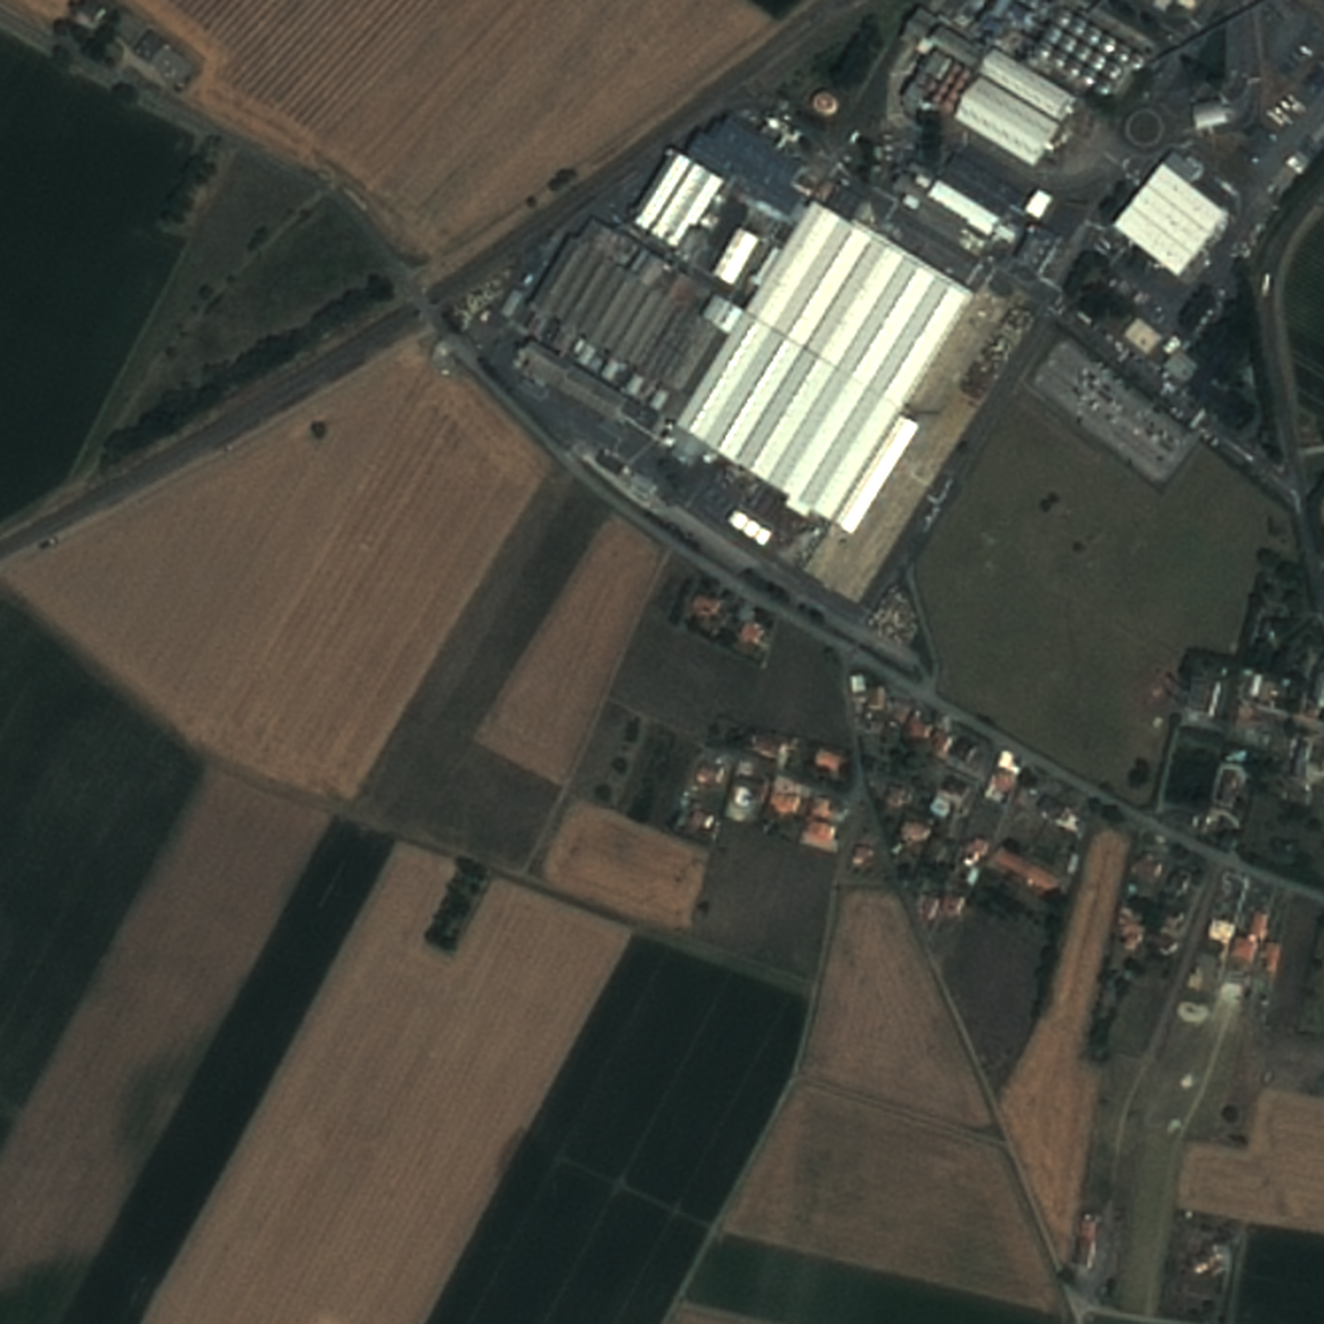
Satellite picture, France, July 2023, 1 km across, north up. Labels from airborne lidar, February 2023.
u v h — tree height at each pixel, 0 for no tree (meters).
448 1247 0
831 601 0
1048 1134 0
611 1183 0
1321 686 0
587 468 0
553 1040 0
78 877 0
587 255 0
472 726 0
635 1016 0
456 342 0
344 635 0
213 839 0
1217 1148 0
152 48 0
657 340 0
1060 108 0
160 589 0
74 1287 0
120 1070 0
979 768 0
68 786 0
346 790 0
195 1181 0
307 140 0
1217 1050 0
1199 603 0
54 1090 0
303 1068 0
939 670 0
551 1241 0
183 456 0
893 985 0
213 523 0
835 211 0
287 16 0
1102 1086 0
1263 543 0
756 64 0
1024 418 0
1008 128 0
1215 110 0
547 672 0
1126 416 0
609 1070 0
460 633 0
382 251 0
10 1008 0
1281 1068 0
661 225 0
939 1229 0
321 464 0
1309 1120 0
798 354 0
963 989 0
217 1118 0
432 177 0
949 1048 0
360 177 0
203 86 0
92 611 0
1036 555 0
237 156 0
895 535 0
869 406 0
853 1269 0
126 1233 0
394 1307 0
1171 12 11
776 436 0
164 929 0
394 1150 0
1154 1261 0
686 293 0
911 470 0
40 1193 0
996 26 0
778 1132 0
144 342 0
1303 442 0
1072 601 0
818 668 0
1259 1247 0
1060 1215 0
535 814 0
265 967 0
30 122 0
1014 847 10
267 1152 0
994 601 0
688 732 0
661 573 0
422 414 0
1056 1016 0
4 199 0
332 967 0
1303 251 0
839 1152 0
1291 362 0
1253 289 11
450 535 0
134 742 0
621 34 0
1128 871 0
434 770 0
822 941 0
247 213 0
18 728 0
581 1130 0
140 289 0
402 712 0
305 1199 0
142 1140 0
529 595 0
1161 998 0
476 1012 0
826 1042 0
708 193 0
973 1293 0
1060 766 0
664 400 0
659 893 0
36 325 0
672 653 0
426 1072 0
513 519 0
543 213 0
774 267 0
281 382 0
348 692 0
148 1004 0
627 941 0
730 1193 0
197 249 0
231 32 0
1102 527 0
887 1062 0
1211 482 0
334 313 14
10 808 0
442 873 0
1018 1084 0
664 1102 0
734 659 0
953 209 0
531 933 0
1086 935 0
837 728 0
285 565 0
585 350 0
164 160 0
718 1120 0
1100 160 0
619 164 0
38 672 0
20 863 0
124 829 0
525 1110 0
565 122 0
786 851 0
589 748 0
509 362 0
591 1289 0
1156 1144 0
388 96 0
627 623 0
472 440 0
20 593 0
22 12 0
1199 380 0
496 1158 0
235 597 0
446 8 0
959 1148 0
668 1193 0
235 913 0
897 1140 0
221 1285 0
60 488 0
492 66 0
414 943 0
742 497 0
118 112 0
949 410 0
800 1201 0
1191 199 0
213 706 0
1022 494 0
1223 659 8
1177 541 0
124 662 0
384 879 0
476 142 0
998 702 0
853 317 0
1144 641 0
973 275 0
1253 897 0
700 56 0
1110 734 0
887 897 0
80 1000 0
